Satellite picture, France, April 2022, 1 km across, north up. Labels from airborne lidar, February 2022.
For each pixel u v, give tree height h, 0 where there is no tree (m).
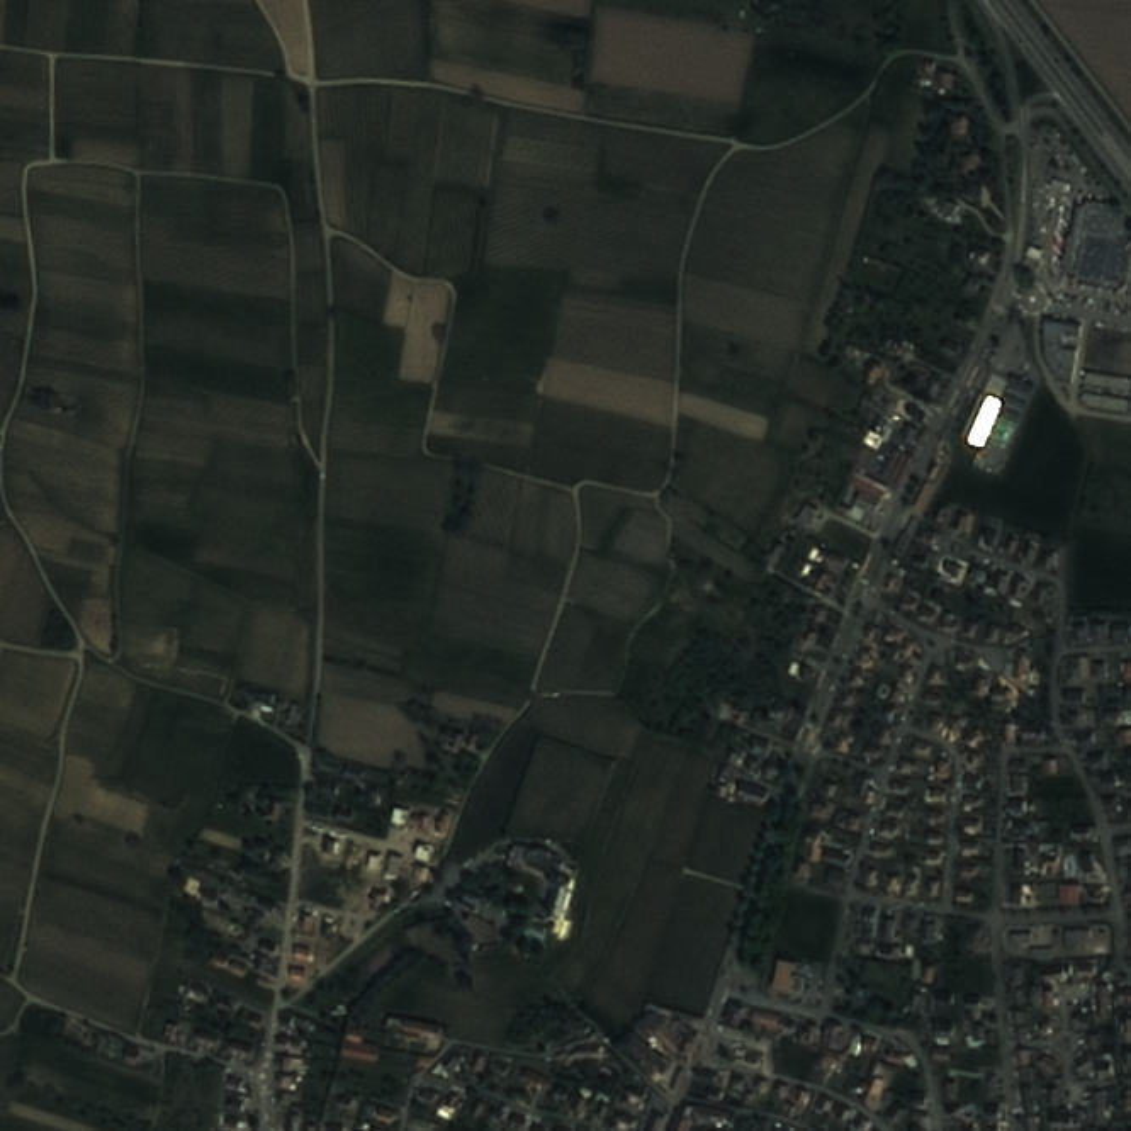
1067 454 0
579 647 0
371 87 0
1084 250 0
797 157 0
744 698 14
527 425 0
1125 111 0
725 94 0
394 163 0
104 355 0
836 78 0
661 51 0
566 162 0
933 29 0
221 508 0
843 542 0
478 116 0
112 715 0
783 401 0
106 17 0
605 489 0
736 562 0
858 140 0
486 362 0
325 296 0
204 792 0
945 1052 0
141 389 0
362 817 0
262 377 0
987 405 0
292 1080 0
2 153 0
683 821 0
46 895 0
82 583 0
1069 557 0
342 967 0
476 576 0
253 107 0
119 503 0
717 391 0
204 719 0
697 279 0
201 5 0
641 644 0
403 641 0
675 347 0
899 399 0
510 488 0
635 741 0
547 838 0
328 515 0
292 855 0
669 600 0
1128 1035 0
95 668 0
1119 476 0
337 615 0
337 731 0
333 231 0
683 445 0
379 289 0
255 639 0
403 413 0
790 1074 0
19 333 0
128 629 0
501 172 0
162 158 0
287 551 0
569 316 0
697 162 0
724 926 0
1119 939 0
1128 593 0
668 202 0
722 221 0
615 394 0
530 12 0
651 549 0
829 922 0
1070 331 0
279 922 0
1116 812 0
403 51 0
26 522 0
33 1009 0
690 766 0
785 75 0
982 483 0
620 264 0
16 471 0
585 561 0
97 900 0
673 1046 0
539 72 0
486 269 0
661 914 0
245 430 0
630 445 0
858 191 0
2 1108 0
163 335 0
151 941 0
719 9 0
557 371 0
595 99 0
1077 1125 0
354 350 0
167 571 0
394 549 0
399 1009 0
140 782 0
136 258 0
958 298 0
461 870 0
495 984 0
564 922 0
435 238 0
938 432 0
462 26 0
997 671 0
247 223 0
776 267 0
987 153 7
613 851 0
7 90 0
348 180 0
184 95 0
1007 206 0
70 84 0
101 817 0
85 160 0
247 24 0
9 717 0
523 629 0
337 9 0
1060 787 0
